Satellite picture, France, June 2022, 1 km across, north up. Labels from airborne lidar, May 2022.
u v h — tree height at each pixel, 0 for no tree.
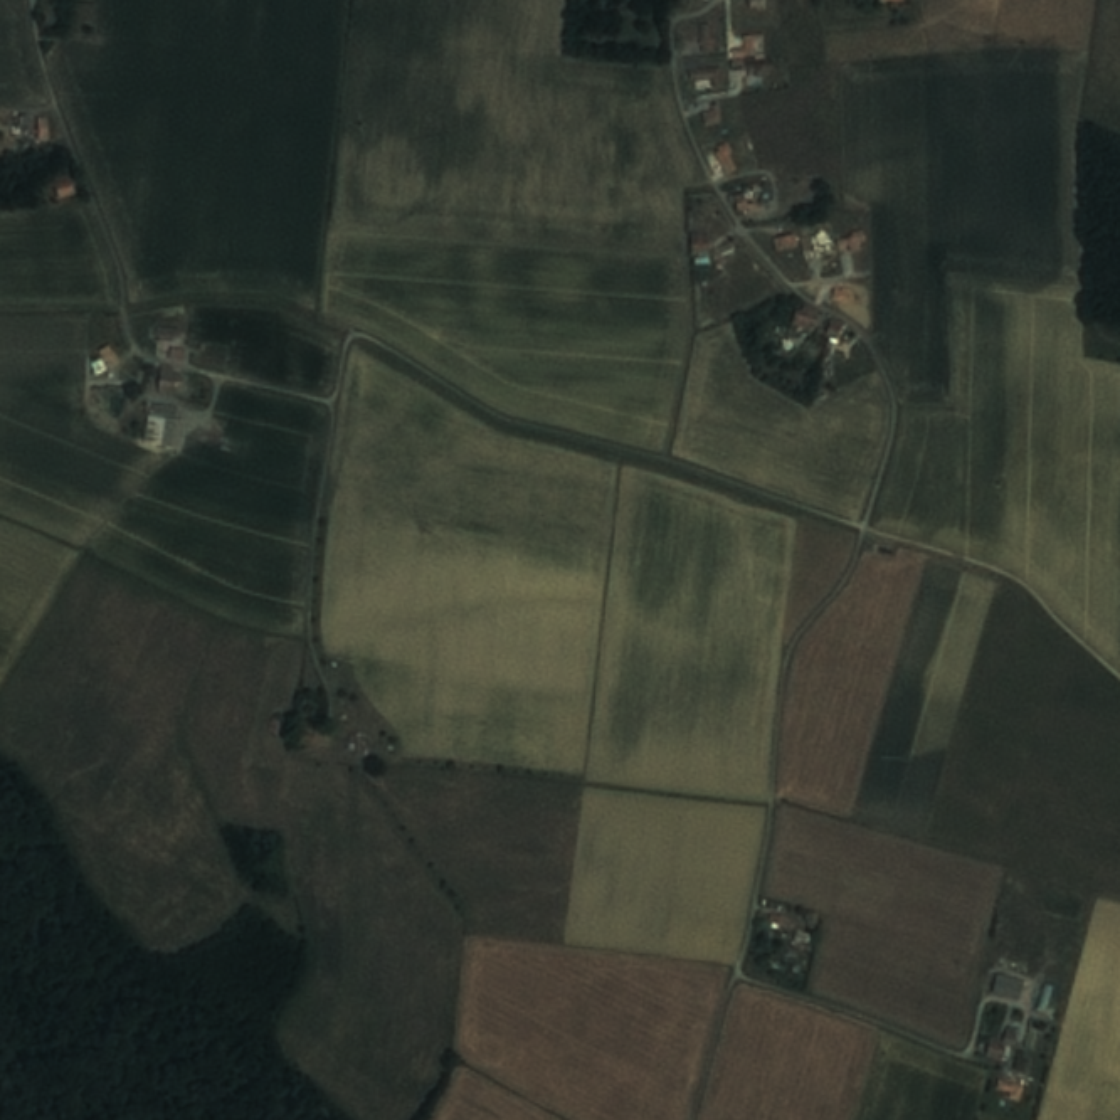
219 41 0
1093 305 11
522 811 0
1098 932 0
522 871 0
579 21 13
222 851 0
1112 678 0
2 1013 22
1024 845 0
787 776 0
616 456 0
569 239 0
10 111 0
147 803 0
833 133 0
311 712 8
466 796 0
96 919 23
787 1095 0
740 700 0
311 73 0
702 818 0
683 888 0
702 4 0
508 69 0
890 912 0
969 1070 0
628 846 0
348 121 0
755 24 0
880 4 7
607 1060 0
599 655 0
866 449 0
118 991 20
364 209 0
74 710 0
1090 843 0
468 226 0
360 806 0
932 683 0
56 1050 14
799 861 0
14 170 15
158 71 0
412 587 0
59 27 12
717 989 0
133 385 13
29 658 0
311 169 0
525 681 0
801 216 14
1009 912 0
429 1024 0
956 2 0
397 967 0
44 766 0
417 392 0
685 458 0
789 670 0
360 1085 0
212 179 0
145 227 0
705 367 0
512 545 0
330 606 0
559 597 0
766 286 0
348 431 0
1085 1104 0
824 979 0
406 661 0
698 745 0
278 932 12
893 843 0
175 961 14
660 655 0
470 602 0
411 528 0
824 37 0
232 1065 9
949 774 0
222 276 0
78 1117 18
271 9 0
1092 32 0
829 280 0
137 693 0
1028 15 0
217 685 0
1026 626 0
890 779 0
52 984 8
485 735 0
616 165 0
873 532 0
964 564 0
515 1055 0
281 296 0
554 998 0
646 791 0
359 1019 0
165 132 0
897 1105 0
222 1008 16
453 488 0
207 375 0
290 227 0
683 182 0
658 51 15
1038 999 0
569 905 0
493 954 0
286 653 0
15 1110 22
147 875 0
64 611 0
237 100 0
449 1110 0
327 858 0
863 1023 0
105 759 0
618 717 0
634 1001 0
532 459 0
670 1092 0
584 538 0
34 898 19
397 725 0
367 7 0
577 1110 0
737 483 0
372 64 0
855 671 0
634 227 0
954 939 0
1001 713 0
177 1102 22
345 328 0
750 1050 0
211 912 0
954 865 0
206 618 0
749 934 0
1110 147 15
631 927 0
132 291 0
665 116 0
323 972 0
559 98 0
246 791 0
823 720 0
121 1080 23
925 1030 0
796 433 0
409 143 0
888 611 0
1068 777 0
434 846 0
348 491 0
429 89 0
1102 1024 0
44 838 20
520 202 0
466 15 0
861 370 0
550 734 0
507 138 0
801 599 0
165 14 0
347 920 0
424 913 0
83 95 0
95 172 0
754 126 0
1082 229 11
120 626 0
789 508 0
